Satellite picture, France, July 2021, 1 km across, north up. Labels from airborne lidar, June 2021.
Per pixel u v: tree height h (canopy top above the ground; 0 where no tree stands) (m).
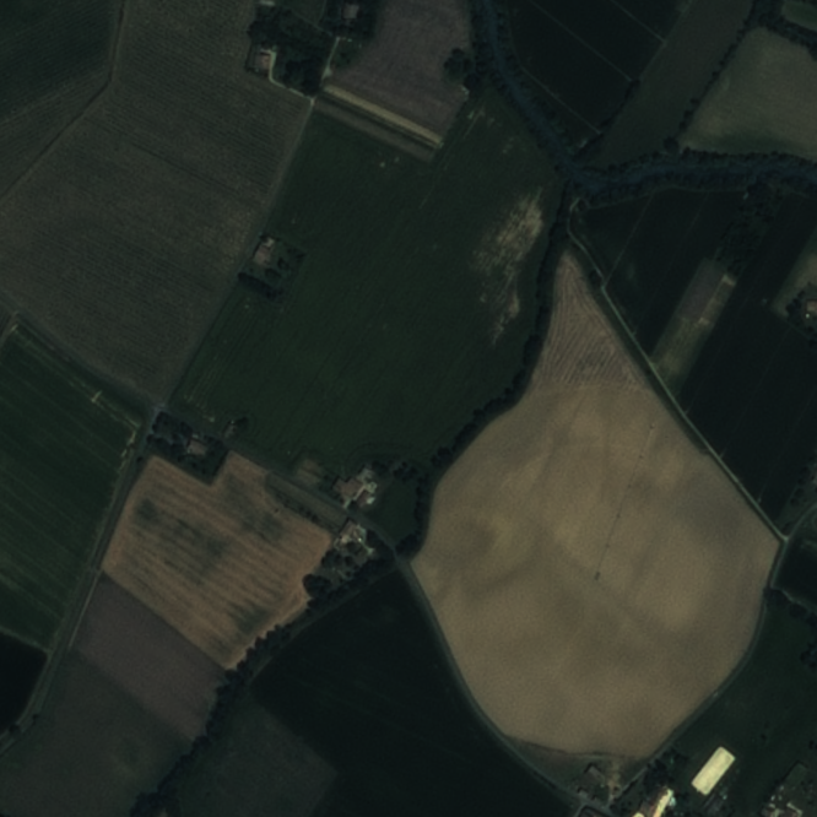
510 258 0
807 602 0
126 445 0
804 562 0
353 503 9
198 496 0
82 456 0
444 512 0
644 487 0
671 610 0
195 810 0
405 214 0
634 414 0
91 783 0
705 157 17
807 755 0
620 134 0
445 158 0
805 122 0
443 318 0
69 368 0
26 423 0
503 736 0
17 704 0
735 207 0
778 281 0
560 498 0
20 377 0
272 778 0
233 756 0
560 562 0
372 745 0
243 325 0
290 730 0
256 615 0
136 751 0
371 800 0
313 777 0
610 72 0
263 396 0
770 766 0
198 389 0
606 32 0
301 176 0
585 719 0
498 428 0
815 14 0
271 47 6
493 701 0
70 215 0
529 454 0
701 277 0
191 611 0
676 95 0
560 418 0
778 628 0
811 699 0
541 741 0
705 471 0
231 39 0
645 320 0
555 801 0
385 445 0
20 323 0
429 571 0
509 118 0
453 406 0
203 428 0
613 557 0
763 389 0
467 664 0
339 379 0
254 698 0
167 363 0
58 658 0
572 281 0
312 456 0
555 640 0
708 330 0
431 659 0
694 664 0
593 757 0
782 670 0
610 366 0
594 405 0
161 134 0
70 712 0
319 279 0
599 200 8
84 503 0
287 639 14
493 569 0
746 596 0
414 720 0
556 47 0
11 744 0
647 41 0
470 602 0
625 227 0
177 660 0
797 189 11
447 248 0
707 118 0
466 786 0
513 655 0
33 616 0
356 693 0
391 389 0
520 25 0
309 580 12
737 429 0
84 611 0
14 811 0
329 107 0
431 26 0
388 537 0
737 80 0
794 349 0
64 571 0
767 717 0
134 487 0
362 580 20
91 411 0
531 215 0
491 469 0
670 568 0
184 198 0
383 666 0
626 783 0
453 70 10
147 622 0
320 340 0
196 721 0
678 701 0
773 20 16
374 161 0
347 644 0
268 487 0
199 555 0
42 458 0
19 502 0
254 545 0
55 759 0
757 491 0
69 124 0
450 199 0
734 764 0
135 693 0
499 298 0
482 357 0
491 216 0
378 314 0
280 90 0
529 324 0
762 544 0
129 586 0
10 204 0
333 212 0
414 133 0
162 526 0
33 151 0
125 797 0
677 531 0
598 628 0
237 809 0
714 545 0
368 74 0
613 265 0
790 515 0
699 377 0
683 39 0
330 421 0
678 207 0
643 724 0
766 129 0
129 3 0
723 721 0
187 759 16
